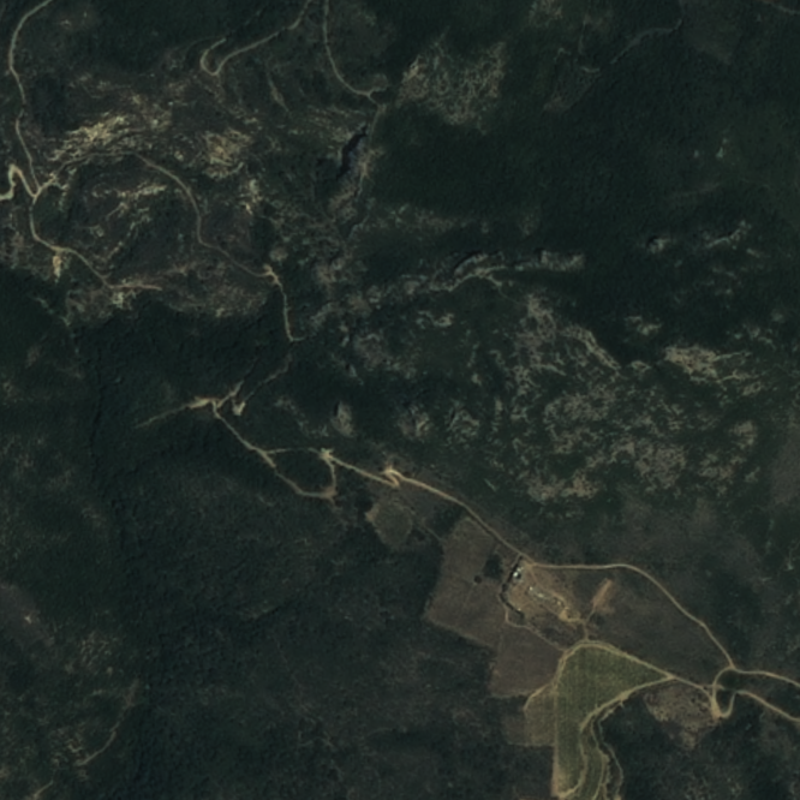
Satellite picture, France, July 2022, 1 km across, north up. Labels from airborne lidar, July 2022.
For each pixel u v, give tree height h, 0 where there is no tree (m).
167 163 12
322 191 7
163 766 9
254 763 6
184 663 6
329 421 0
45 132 7
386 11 8
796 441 0
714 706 0
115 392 7
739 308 6
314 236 6
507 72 6
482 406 0
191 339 9
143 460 10
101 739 6
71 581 8
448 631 0
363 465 0
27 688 7
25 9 6
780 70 7
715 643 0
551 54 6
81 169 10
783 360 0
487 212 6
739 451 0
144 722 8
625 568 0
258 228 8
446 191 5
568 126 6
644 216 6
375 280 6
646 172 6
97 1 7
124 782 12
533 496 0
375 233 0
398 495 0
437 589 0
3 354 5
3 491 5
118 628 8
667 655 0
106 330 11
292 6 8
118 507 16
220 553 6
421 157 7
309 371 8
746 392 0
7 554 5
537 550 0
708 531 0
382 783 0
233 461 8
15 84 8
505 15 6
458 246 6
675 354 0
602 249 7
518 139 8
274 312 9
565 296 7
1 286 7
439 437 0
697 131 5
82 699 7
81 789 10
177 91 0
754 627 0
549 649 0
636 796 6
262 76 7
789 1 6
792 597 0
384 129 6
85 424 10
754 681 6
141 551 9
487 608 0
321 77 7
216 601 10
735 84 7
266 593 6
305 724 8
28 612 0
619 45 10
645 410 0
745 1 8
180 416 9
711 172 0
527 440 0
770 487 0
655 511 0
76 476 7
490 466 0
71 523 7
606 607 0
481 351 7
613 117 8
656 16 9
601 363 0
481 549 0
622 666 0
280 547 6
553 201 6
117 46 7
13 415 8
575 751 0
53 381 10
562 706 0
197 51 5
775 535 0
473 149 8
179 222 5
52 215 6
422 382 8
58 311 7
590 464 0
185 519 6
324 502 6
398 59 7
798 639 0
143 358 9
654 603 0
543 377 0
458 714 0
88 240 10
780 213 8
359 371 8
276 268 6
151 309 7
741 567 0
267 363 7
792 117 7
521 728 0
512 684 0
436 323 0
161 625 8
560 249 9
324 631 7
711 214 7
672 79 6
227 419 10
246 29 8
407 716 0
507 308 0
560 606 0
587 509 0
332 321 6
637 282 6
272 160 6
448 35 5
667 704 0
